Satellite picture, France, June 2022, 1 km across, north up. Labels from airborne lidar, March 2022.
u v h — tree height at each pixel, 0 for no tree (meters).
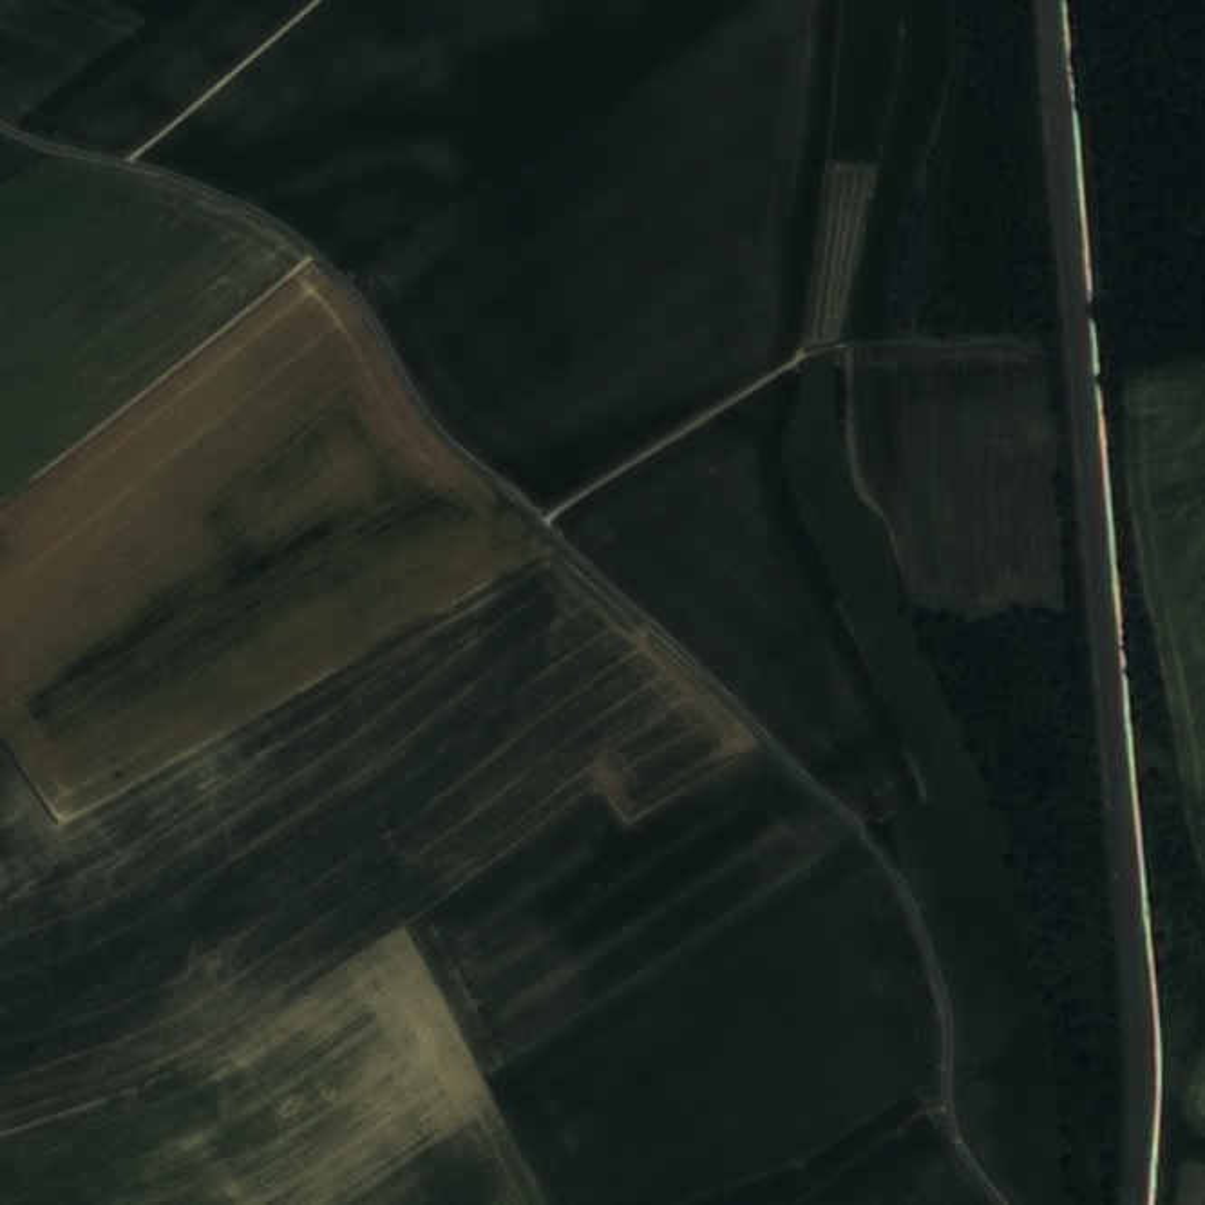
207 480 0
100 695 0
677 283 0
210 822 0
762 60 0
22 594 0
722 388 0
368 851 0
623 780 0
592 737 0
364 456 0
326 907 0
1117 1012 10
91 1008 0
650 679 0
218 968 0
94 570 0
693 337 0
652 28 0
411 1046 0
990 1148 0
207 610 0
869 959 0
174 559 0
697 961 0
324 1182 0
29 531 0
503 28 0
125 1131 0
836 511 0
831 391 0
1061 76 0
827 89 0
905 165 0
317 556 0
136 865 0
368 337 0
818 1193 0
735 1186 0
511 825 0
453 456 0
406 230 0
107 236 0
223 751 0
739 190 0
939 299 9
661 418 0
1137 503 0
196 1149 0
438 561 0
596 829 0
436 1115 0
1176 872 7
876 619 0
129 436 0
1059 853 13
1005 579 0
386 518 0
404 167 0
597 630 0
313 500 0
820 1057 0
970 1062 0
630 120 0
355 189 0
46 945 0
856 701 0
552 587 0
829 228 0
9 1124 0
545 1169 0
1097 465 0
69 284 0
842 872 0
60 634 0
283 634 0
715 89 0
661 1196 0
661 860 0
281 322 0
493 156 0
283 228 0
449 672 0
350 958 0
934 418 0
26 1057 0
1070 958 7
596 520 0
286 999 0
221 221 0
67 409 0
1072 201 0
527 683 0
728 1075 0
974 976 0
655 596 0
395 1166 0
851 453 0
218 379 0
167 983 0
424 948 0
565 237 0
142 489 0
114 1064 0
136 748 0
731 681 0
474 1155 0
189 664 0
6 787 0
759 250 0
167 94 0
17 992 0
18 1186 0
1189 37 19
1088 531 0
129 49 0
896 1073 0
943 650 15
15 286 0
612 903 0
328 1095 0
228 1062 0
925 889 0
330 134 0
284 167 0
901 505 0
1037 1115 0
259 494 0
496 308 0
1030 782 11
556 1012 0
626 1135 0
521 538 0
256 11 0
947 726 0
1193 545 0
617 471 0
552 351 0
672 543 0
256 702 0
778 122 0
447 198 0
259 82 0
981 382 0
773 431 0
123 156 0
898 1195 0
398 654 0
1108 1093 7
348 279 0
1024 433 0
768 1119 0
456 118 0
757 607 0
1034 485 0
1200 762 0
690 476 0
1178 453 0
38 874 0
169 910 0
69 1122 0
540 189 0
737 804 0
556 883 0
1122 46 18
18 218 0
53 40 0
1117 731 0
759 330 0
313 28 0
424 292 0
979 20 13
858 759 0
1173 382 0
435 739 0
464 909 0
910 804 0
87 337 0
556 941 0
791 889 0
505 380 0
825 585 0
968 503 0
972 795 0
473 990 0
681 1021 0
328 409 0
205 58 0
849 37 0
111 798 0
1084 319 0
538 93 0
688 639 0
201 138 0
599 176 0
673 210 0
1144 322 18
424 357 0
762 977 0
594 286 0
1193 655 0
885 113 0
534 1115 0
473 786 0
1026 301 14
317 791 0
